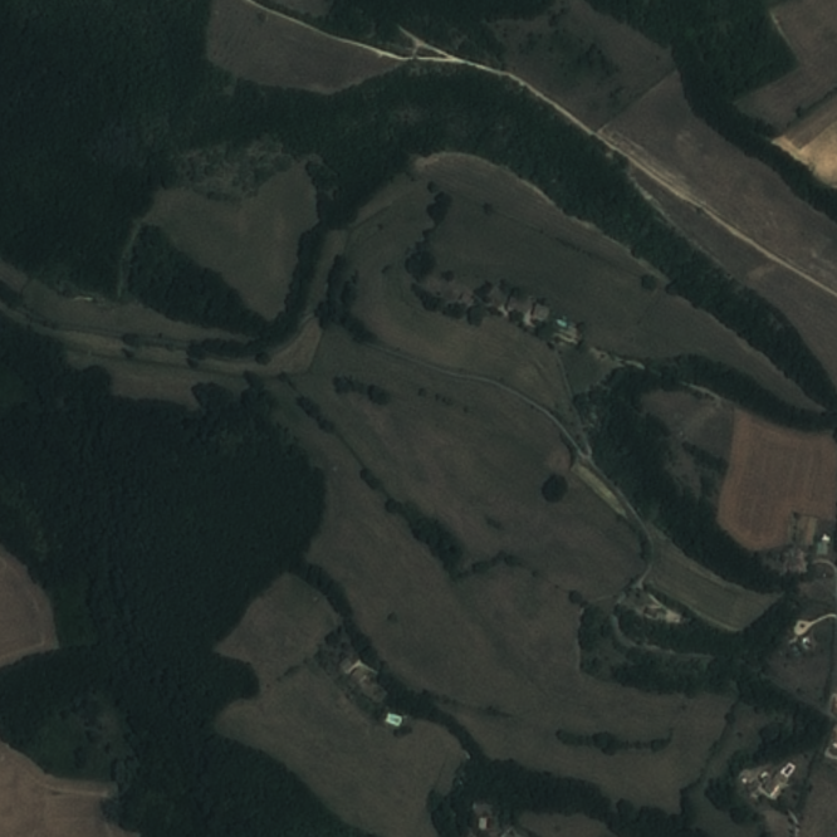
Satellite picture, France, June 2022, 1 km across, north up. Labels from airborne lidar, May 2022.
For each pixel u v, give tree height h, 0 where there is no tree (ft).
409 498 0
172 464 70
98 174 43
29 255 44
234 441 64
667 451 18
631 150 0
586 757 0
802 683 0
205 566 67
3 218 37
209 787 88
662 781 0
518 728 0
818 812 0
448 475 0
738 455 0
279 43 0
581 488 0
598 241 0
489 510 0
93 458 81
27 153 52
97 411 66
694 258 27
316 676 0
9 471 73
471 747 49
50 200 34
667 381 35
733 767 27
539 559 0
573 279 0
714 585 0
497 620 0
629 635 31
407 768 0
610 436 33
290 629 0
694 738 0
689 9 59
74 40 55
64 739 0
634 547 0
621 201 33
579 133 21
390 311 0
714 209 0
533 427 0
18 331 67
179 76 37
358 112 29
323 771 0
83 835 0
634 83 0
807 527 0
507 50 23
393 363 0
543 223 0
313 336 0
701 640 33
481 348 0
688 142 0
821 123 0
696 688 36
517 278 0
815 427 32
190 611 67
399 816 0
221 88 18
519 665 0
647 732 0
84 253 41
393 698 47
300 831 42
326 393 0
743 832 0
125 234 49
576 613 0
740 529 0
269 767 48
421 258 57
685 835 70
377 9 38
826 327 0
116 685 74
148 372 0
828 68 0
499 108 33
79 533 99
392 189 0
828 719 27
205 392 78
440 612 0
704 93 67
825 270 0
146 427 90
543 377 0
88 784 0
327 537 0
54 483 101
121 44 45
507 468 0
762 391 34
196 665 66
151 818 44
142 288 59
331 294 47
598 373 0
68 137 54
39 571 56
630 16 35
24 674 59
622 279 0
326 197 43
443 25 23
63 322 0
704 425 0
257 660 0
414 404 0
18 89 75
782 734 47
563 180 44
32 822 0
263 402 72
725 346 0
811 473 0
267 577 54
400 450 0
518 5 46
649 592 20
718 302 30
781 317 29
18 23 51
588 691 0
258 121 45
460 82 32
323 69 0
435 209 63
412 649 0
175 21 36
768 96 0
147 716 54
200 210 0
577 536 0
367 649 52
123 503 88
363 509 0
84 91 65
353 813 0
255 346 55
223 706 37
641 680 58
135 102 28
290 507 60
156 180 56
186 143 36
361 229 0
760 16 27
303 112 30
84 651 57
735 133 59
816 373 31
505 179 0
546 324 21
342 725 0
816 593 0
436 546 31
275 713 0
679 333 0
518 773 54
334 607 43
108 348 0
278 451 68
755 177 0
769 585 49
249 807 58
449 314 32
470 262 0
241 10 0
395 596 0
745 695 50
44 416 38
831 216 35
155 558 64
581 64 20
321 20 33
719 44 27
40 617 0
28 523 71
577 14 0
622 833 54
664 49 22
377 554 0
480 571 39
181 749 54
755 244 0
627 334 0
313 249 62
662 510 26
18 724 53
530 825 0
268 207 0
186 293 58
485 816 34
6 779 0
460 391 0
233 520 63
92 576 51
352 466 0
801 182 59
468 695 0
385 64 0
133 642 66
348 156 51
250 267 0
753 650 27
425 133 33
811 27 0
